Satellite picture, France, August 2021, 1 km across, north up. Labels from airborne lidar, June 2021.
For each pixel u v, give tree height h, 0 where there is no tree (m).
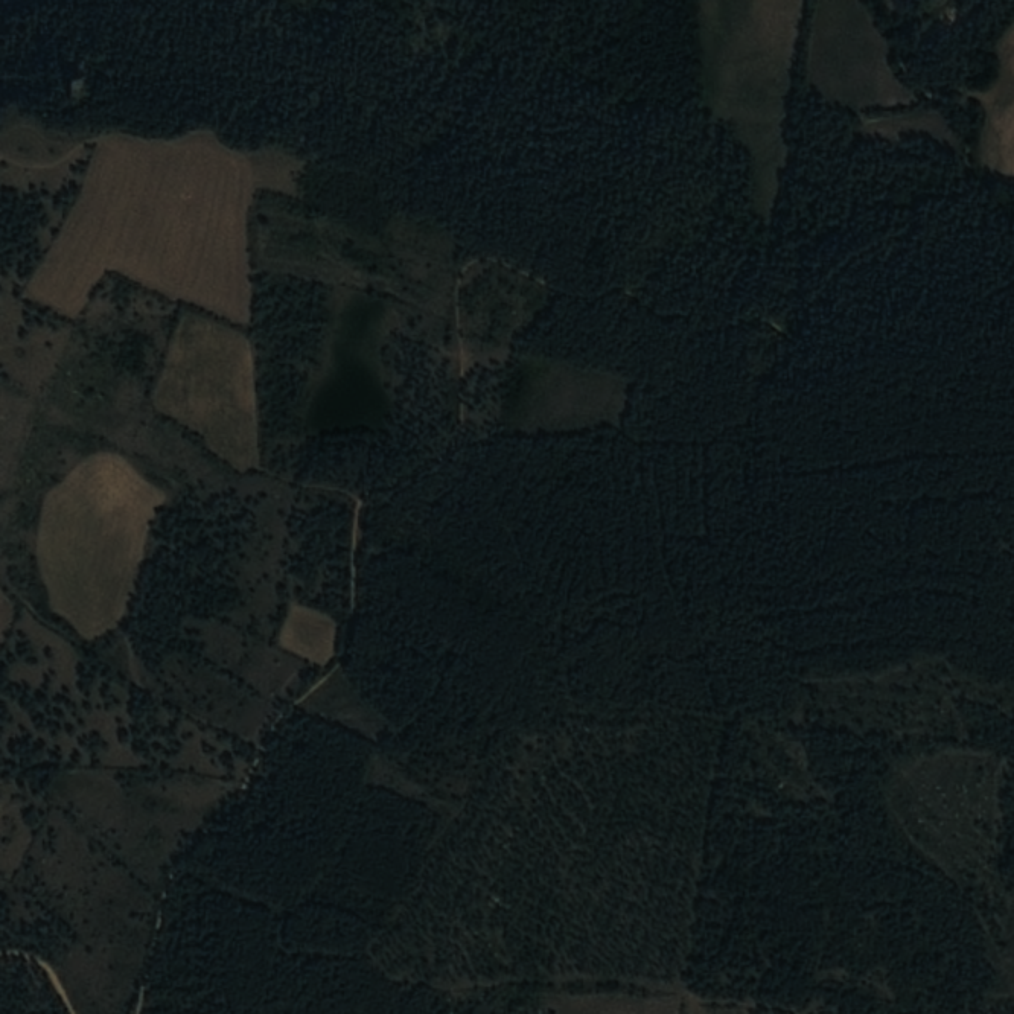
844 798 14
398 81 12
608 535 17
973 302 18
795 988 16
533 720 12
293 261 0
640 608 12
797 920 14
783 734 10
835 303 20
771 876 14
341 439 10
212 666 8
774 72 0
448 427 14
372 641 21
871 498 18
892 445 14
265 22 10
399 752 12
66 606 0
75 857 0
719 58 0
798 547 17
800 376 15
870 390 14
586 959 14
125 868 8
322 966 12
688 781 7
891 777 17
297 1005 9
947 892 17
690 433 15
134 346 8
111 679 11
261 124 15
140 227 0
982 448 13
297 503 7
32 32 6
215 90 17
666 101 17
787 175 12
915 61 18
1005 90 0
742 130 0
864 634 14
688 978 14
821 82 0
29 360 0
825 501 18
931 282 15
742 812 12
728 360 21
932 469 20
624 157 20
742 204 21
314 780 17
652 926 12
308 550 11
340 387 0
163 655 13
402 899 6
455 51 15
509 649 13
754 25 0
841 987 8
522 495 14
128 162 0
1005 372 19
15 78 8
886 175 12
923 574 17
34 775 14
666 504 11
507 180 19
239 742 10
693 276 14
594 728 13
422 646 15
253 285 13
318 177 6
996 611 16
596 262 15
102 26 14
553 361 15
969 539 17
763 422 19
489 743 8
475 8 12
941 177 9
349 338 0
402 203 14
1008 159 0
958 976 11
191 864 14
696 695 13
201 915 12
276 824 19
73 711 10
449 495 12
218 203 0
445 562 9
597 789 12
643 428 16
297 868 20
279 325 12
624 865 11
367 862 10
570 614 12
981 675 10
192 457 0
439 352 7
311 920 16
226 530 12
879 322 16
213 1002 10
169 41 12
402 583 17
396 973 11
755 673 18
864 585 17
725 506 19
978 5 9
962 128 19
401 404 10
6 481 0
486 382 13
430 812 10
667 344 15
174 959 10
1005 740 11
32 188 9
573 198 14
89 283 0
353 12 12
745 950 8
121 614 0
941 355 18
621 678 11
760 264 19
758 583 15
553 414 0
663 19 17
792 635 18
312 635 0
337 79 14
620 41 15
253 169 0
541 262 17
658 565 15
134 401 0
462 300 8
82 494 0
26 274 13
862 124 9
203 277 0
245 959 14
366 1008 8
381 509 7
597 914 12
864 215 18
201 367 0
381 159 16
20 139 0
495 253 14
